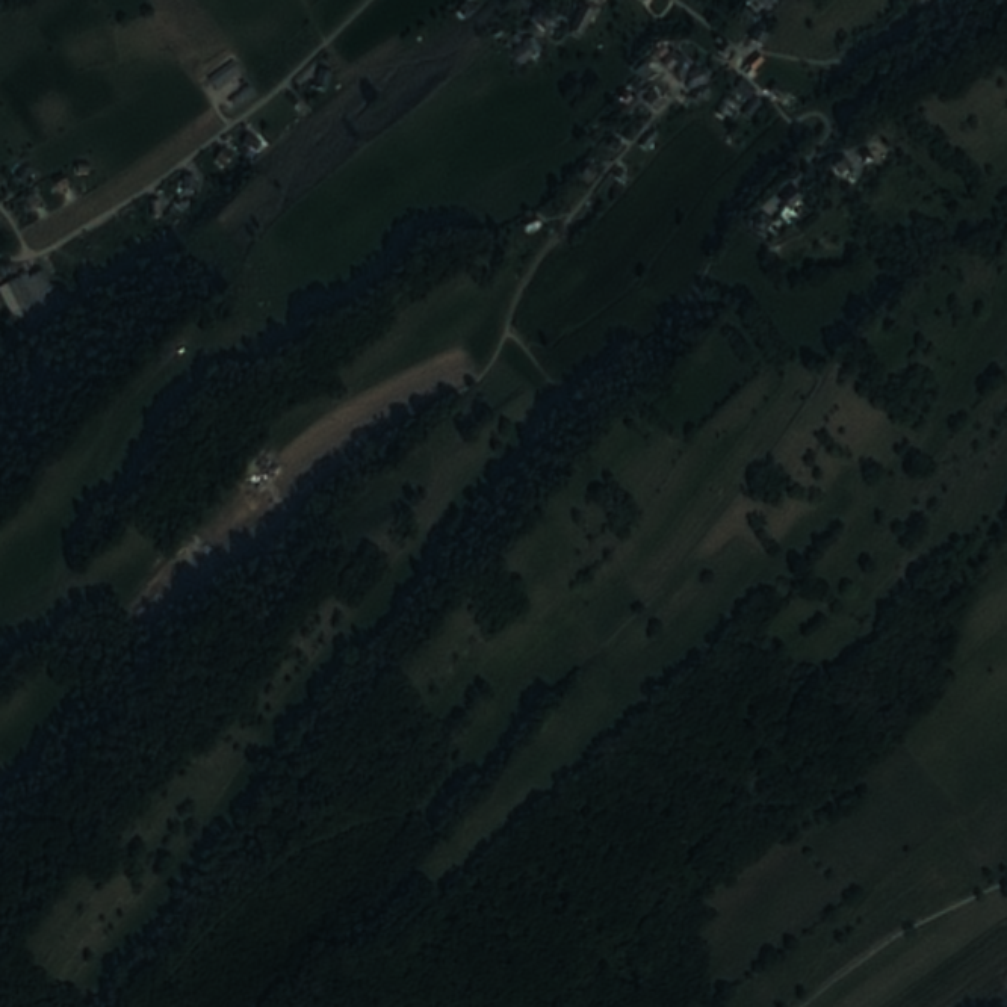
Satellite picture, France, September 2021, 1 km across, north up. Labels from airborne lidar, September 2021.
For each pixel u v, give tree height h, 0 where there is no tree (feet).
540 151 0
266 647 50
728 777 25
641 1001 94
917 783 0
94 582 0
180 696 85
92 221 0
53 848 80
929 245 69
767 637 33
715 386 0
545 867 96
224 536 0
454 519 51
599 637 0
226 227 0
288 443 0
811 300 0
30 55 0
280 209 0
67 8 0
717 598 0
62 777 75
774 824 73
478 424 47
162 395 0
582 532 28
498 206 0
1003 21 82
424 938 87
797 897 0
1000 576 0
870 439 0
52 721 0
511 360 0
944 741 0
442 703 0
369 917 42
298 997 76
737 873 60
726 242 38
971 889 0
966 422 46
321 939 35
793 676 47
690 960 81
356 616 0
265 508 0
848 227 37
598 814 92
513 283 0
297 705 0
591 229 42
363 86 0
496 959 88
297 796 52
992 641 0
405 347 0
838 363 34
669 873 52
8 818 89
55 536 0
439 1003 85
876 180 34
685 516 0
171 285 94
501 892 96
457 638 0
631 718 48
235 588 90
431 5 0
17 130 0
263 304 0
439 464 0
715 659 57
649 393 59
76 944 0
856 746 93
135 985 84
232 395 46
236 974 31
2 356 38
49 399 92
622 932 84
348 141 0
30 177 24
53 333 98
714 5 33
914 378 61
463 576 60
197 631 79
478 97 0
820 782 72
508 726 0
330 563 47
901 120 43
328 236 0
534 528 33
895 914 0
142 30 0
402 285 64
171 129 0
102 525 49
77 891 0
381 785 35
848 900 46
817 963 0
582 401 74
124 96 0
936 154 56
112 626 73
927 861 0
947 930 0
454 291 0
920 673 89
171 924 49
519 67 27
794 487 47
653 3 0
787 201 0
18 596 0
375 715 61
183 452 62
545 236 20
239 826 63
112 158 0
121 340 76
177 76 0
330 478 80
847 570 0
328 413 0
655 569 0
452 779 0
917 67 71
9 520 46
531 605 41
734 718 91
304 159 0
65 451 41
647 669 0
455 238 74
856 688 91
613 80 0
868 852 0
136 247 0
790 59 0
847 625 0
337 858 31
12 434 59
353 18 0
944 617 90
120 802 76
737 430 0
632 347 84
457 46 0
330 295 0
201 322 58
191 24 0
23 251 0
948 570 92
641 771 98
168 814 0
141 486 51
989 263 38
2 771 0
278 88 0
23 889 48
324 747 69
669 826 94
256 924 27
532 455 105
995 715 0
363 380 0
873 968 0
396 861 58
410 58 0
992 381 55
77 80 0
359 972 77
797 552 0
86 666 80
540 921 83
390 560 44
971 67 57
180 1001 37
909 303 55
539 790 0
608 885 82
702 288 49
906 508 0
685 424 0
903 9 27
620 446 0
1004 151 0
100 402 66
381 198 0
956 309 47
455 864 0
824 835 0
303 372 32
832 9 0
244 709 57
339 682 75
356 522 0
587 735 0
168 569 0
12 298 0
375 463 50
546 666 0
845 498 0
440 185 0
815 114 0
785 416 0
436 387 0
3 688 70
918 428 58
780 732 82
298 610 63
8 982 39
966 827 0
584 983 55
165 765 42
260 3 0
